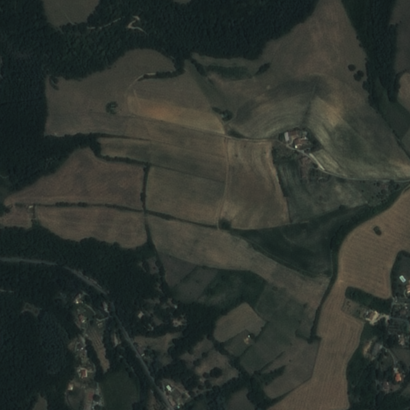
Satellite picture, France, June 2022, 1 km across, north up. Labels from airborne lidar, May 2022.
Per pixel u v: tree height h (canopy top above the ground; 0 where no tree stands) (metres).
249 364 0
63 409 23
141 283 23
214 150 0
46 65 6
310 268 0
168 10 15
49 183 0
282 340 0
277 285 0
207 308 12
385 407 14
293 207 0
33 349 16
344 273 0
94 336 0
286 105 0
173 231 0
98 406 15
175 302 12
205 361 0
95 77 0
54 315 21
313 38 0
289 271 0
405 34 0
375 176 0
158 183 0
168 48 15
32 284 23
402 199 0
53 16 0
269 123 0
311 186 0
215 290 9
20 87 20
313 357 0
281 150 0
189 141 0
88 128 0
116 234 0
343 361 0
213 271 0
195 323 17
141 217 0
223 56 13
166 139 0
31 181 17
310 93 0
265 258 0
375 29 5
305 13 21
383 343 6
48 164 11
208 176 0
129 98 0
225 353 11
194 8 21
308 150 9
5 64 20
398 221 0
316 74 0
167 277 0
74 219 0
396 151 0
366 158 0
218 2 17
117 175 0
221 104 0
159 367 16
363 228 0
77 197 0
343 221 0
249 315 0
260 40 15
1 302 20
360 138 0
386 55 13
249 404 0
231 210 0
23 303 12
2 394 28
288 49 0
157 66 0
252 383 17
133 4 11
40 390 15
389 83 17
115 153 0
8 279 19
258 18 17
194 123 0
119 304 23
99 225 0
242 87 0
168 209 0
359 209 0
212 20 21
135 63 0
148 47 9
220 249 0
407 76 0
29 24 21
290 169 0
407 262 0
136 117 0
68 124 0
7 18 21
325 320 0
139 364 19
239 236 0
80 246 18
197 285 0
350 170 0
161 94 0
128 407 0
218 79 0
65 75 12
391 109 0
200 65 12
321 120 0
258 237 0
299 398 0
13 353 16
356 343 0
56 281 12
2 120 23
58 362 23
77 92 0
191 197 0
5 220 0
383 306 9
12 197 0
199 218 0
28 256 18
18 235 14
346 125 0
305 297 0
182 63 14
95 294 15
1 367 25
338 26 0
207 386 11
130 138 0
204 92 0
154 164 0
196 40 15
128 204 0
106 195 0
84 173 0
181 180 0
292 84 0
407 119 0
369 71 15
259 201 0
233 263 0
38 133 17
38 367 16
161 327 14
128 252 12
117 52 12
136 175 0
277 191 0
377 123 0
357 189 0
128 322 13
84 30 14
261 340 0
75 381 0
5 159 19
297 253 0
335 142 0
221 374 17
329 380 0
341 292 0
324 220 0
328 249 0
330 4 0
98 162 0
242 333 0
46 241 11
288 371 0
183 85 0
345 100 0
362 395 14
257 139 0
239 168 0
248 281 6
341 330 0
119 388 0
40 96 10
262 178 0
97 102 0
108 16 8
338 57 0
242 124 0
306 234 0
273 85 0
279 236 0
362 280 0
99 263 15
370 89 12
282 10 10
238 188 0
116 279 15
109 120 0
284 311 0
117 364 19
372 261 0
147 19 12
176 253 0
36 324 22
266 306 0
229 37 17
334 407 0
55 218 0
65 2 0
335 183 0
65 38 14
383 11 9
